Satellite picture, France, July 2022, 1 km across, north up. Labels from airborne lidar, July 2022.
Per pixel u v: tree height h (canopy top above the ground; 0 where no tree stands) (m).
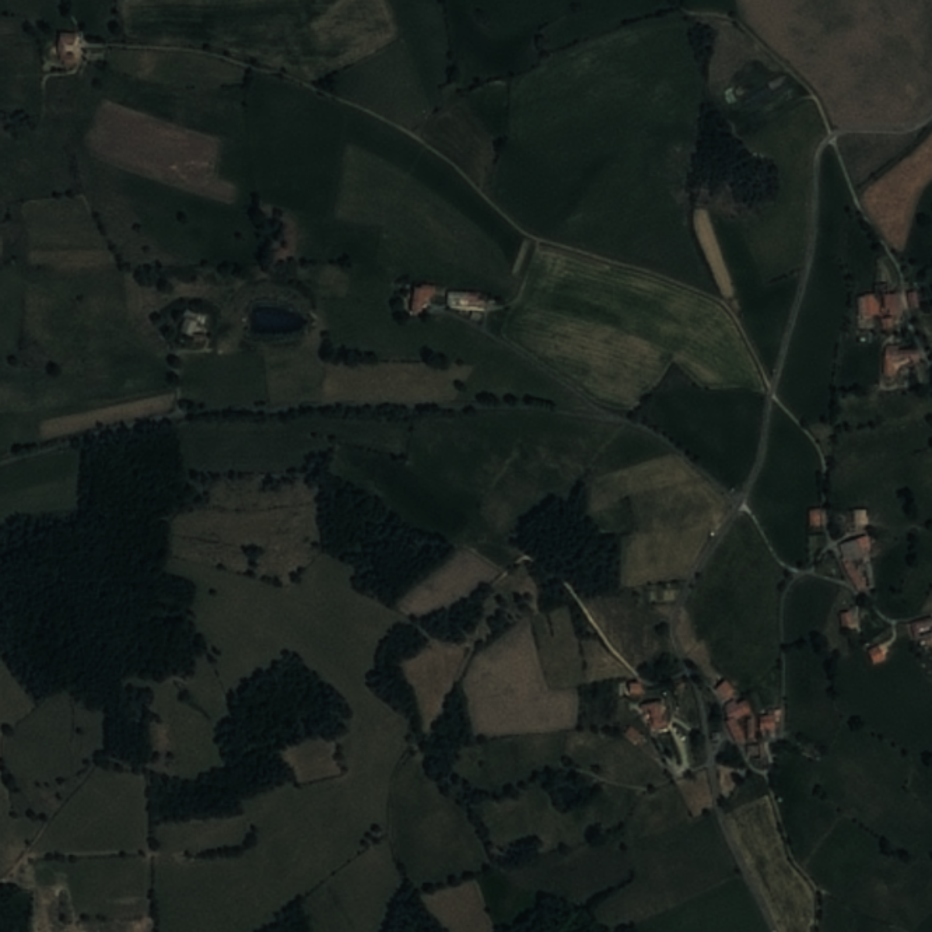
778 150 0
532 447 0
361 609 0
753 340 0
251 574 11
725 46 0
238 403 0
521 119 0
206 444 0
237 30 0
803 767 0
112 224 0
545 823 0
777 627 0
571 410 0
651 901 0
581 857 0
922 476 0
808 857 0
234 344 0
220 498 0
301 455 0
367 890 0
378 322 0
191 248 0
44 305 0
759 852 0
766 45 0
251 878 0
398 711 10
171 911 0
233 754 18
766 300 0
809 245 0
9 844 0
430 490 0
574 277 0
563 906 15
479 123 0
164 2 0
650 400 10
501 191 0
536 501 0
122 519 15
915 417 0
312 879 0
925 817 0
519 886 0
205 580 0
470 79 0
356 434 0
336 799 0
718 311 0
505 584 0
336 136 0
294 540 0
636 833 0
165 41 0
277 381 0
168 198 0
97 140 0
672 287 0
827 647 19
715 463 0
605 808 0
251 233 0
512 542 11
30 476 0
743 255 0
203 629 0
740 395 0
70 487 0
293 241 0
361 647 0
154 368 0
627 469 0
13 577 17
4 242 0
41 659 11
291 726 23
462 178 0
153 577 19
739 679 0
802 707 0
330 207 0
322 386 0
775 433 0
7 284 0
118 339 0
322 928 0
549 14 0
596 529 10
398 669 8
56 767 0
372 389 0
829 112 0
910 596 0
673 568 0
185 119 0
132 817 0
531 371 0
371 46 0
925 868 0
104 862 0
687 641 0
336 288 0
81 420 0
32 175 0
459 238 0
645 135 0
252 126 0
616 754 0
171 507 14
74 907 0
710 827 0
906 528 0
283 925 9
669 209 0
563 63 0
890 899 0
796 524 0
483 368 0
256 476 0
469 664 0
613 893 10
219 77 0
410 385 0
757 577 0
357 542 9
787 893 0
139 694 12
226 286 0
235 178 0
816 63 0
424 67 0
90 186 0
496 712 0
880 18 0
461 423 0
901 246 0
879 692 0
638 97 0
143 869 0
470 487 0
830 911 0
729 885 0
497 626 12
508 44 0
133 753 11
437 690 0
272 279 0
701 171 7
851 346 0
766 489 0
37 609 13
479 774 0
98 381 0
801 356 0
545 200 0
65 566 20
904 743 0
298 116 0
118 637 15
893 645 0
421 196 0
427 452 0
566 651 0
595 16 0
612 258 0
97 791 0
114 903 0
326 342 10
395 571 17
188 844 0
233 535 0
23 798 0
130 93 0
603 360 0
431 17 0
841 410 11
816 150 0
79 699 7
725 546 0
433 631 14
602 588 15
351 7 0
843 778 0
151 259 0
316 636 0
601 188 0
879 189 0
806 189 0
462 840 0
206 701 0
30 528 11
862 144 0
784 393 0
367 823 0
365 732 0
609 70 0
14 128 5
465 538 0
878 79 0
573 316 0
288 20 0
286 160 0
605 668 0
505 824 0
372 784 0
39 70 0
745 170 11
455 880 11
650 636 0
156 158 0
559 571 19
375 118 0
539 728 0
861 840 0
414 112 0
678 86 0
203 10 0
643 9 0
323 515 10
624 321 0
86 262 0
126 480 12
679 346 0
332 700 19
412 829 0
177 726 0
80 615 14
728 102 0
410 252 0
